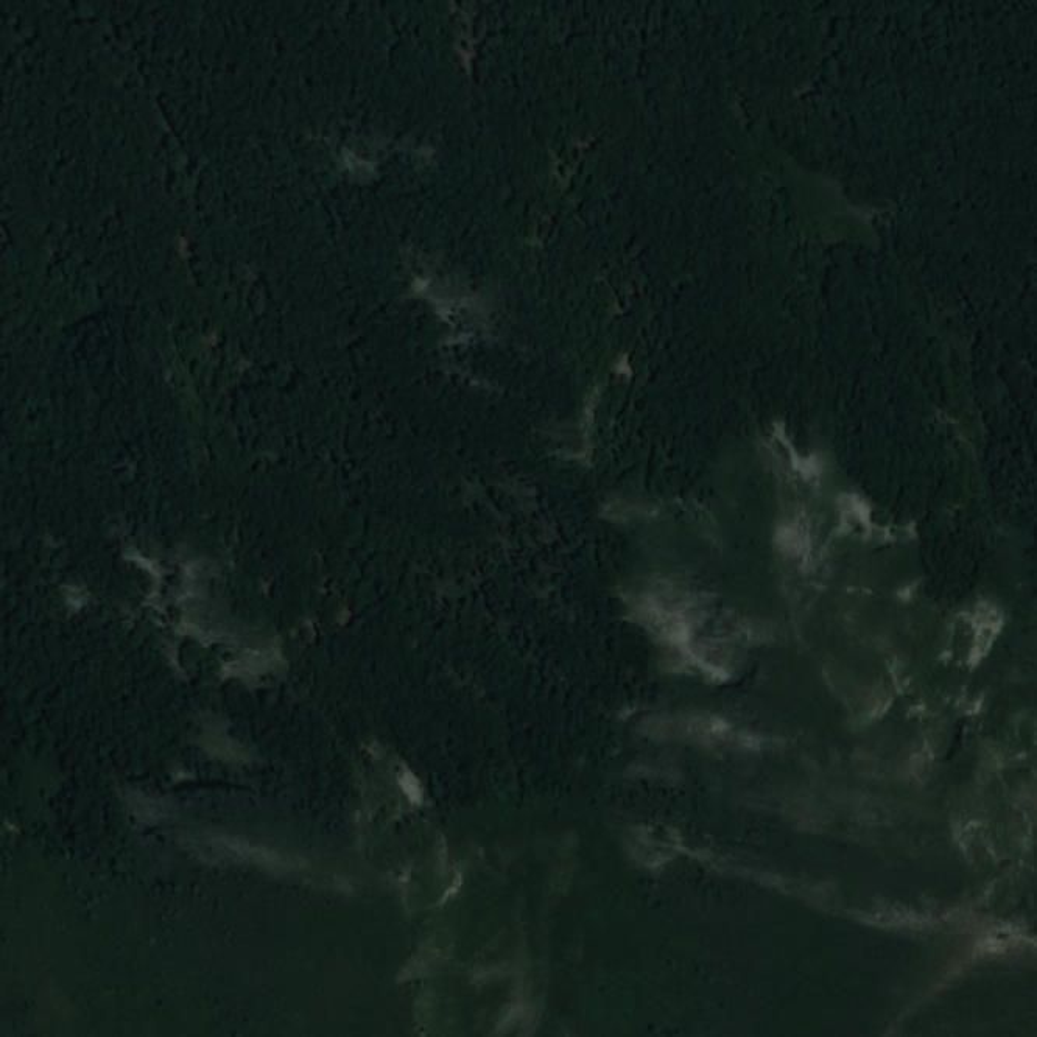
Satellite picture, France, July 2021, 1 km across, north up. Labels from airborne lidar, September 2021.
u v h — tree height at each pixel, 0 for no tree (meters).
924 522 8
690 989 0
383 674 16
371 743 9
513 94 22
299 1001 0
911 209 9
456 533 13
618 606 12
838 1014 0
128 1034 0
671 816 7
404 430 17
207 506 18
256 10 18
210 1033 0
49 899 0
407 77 16
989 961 0
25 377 23
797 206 19
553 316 14
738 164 13
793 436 9
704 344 16
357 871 0
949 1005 0
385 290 16
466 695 19
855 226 0
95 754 16
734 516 0
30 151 25
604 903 0
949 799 0
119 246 27
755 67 19
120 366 9
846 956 0
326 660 13
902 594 0
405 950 0
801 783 0
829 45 25
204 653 11
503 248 9
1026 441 10
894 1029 0
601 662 18
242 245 23
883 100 14
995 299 15
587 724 11
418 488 11
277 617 15
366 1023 0
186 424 11
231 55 21
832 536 0
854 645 0
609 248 20
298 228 18
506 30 11
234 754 0
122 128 25
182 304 22
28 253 17
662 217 17
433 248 10
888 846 0
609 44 18
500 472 18
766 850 0
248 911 0
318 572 25
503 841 0
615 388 17
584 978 0
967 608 0
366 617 21
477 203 11
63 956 0
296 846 0
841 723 0
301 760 9
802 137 14
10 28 25
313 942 0
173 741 13
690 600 0
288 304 17
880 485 12
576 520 17
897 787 0
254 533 21
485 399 12
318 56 18
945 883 0
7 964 0
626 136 19
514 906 0
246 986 0
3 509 12
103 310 7
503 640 18
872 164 17
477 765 15
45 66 23
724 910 0
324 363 20
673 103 19
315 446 19
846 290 17
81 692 19
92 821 12
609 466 12
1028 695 0
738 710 0
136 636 15
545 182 16
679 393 12
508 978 0
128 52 19
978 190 19
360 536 19
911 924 0
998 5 14
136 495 16
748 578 0
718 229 17
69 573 7
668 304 19
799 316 18
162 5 18
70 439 14
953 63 17
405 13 22
